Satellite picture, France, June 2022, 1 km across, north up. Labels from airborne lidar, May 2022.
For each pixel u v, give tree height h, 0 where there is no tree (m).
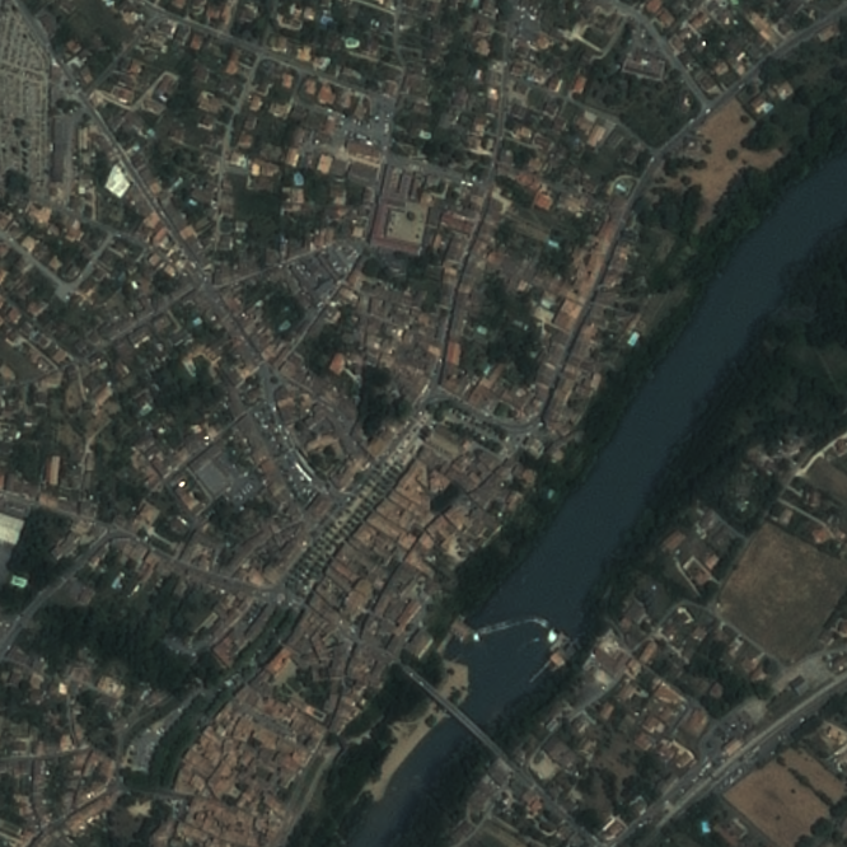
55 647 7
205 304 0
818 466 0
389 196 0
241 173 0
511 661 0
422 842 36
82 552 14
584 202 0
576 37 0
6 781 6
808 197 0
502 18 11
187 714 11
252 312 0
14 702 14
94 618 26
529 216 0
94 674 8
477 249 0
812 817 0
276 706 0
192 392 6
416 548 0
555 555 0
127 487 6
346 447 0
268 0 19
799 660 0
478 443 10
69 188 0
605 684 0
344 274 0
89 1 0
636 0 6
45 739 11
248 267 0
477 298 0
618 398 13
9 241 0
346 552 0
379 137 0
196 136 0
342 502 0
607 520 0
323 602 0
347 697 0
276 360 0
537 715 9
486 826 0
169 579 9
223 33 0
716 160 0
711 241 8
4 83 0
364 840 0
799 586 0
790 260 0
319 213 7
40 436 7
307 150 0
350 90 0
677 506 6
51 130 0
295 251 0
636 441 0
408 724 0
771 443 11
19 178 23
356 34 7
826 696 0
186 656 14
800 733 12
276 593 0
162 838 0
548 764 0
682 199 13
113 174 0
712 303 0
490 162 9
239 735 0
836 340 20
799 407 12
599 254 0
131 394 10
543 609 0
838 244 27
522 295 9
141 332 0
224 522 14
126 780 11
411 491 0
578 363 0
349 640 0
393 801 0
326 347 7
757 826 0
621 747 0
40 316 6
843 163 0
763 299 0
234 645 0
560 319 0
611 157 0
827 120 10
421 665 9
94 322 6
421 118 6
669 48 0
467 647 0
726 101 0
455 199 8
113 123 0
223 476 0
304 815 11
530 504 9
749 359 12
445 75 7
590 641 13
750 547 0
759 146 32
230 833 0
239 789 11
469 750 29
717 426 25
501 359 12
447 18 7
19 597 6
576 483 13
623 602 7
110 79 6
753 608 0
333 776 9
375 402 14
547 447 7
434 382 0
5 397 6
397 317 0
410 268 6
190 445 0
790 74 8
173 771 14
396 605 0
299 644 0
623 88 18
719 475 7
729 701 11
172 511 7
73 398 0
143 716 0
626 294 7
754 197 18
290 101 0
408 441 0
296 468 0
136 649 14
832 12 0
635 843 10
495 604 0
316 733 0
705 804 11
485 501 0
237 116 9
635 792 8
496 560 11
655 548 9
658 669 7
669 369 0
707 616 0
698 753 0
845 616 7
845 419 7
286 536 0
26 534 19
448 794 37
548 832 6
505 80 0
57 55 9
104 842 6
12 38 0
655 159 0
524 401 0
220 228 0
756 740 0
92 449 6
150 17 0
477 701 0
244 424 0
